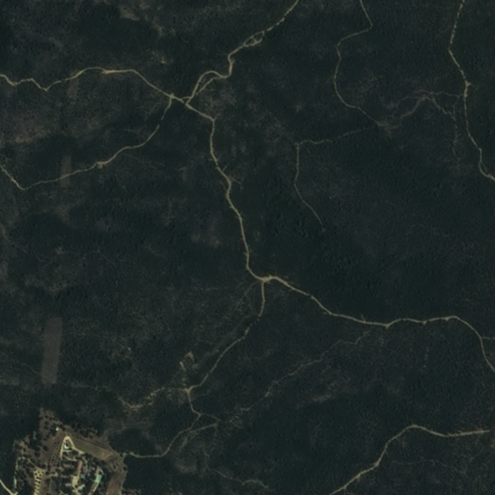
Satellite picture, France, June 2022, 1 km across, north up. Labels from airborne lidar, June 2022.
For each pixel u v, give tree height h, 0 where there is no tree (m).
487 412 6
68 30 6
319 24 6
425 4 7
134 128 7
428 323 7
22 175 6
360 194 6
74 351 8
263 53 7
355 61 6
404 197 6
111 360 8
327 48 7
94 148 6
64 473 11
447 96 5
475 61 10
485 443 8
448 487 6
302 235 11
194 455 6
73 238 7
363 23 10
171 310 0
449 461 6
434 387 7
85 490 9
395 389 0
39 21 7
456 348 7
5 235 0
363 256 7
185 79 8
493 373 6
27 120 6
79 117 6
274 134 7
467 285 6
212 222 0
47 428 7
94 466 10
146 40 6
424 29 6
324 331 7
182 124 7
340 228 7
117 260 7
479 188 6
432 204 6
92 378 9
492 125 11
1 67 6
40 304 6
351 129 6
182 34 6
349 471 7
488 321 5
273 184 8
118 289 7
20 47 6
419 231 6
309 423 7
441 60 7
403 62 6
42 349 0
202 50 7
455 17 6
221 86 6
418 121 6
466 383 11
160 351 7
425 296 6
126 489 7
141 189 8
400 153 6
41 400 6
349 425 7
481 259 6
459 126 6
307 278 8
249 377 7
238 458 7
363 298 6
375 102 6
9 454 7
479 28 6
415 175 7
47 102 6
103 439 0
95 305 7
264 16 6
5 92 0
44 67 0
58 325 0
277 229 6
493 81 7
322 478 6
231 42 7
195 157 0
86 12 12
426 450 6
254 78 7
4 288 0
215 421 7
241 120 5
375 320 6
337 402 6
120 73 0
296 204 7
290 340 7
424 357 6
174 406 6
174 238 11
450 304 5
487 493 8
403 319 7
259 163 8
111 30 6
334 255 9
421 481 9
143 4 0
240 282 0
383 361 6
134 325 6
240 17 7
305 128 6
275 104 6
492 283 6
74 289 11
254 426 8
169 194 7
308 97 6
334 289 7
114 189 8
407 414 7
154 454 8
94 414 7
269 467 6
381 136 6
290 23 7
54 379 0
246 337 7
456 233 6
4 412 0
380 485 8
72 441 0
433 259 8
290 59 6
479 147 7
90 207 6
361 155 7
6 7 6
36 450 7
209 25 6
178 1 6
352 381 6
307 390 9
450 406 6
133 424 0
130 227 6
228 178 0
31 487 7
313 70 6
